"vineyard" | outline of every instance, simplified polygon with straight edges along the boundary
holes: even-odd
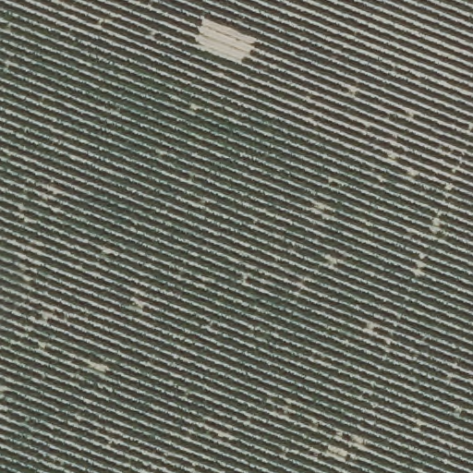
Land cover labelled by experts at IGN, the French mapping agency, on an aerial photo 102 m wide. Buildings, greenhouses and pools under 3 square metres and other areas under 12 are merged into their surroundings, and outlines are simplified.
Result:
[[[0,473],[473,473],[473,0],[0,0]]]

